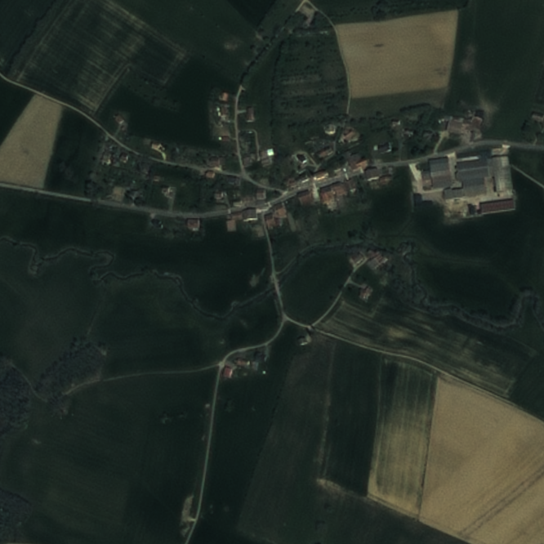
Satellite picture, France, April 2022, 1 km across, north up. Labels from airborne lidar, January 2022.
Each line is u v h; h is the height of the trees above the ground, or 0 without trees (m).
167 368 0
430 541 0
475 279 0
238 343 0
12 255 0
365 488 0
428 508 0
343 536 0
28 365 0
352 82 0
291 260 0
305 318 0
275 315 0
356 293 0
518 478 0
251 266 0
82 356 19
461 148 0
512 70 0
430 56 0
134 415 0
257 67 12
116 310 0
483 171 0
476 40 0
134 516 0
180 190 0
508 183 0
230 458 0
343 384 0
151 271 12
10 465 0
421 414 0
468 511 0
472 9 0
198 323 0
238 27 0
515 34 0
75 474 0
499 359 0
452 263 0
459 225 0
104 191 14
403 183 0
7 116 0
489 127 0
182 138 0
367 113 0
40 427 0
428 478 0
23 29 0
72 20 0
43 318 0
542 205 0
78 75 0
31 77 0
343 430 0
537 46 0
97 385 0
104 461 0
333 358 0
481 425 0
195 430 0
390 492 0
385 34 0
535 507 0
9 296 0
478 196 0
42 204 0
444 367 0
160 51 0
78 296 0
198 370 0
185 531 0
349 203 0
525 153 0
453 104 0
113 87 0
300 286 0
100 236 0
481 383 0
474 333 0
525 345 0
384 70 0
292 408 0
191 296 0
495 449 0
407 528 0
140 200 11
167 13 0
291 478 0
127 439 0
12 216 0
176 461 0
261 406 0
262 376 0
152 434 0
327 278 0
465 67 0
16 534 14
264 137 0
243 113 0
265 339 0
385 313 0
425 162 0
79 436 0
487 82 0
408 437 0
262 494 0
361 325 0
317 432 0
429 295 0
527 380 0
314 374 0
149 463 0
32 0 0
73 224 0
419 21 0
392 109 0
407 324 0
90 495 0
